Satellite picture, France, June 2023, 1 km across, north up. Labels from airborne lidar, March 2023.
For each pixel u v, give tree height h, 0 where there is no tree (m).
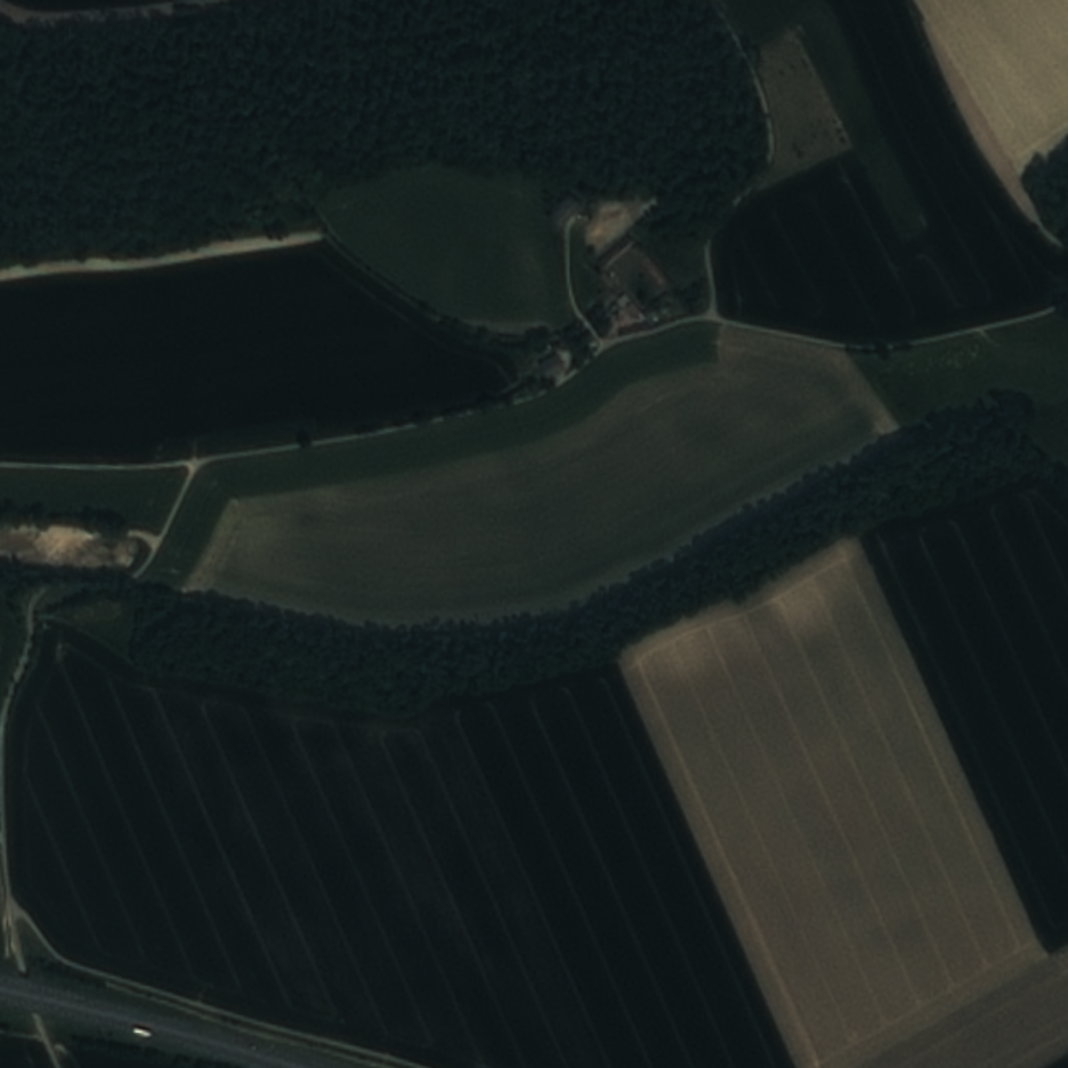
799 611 0
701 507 0
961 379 0
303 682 21
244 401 0
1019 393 0
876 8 0
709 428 0
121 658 0
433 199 0
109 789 0
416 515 0
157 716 0
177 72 24
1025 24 0
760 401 0
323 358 0
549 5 14
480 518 0
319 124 26
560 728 0
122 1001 0
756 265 0
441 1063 0
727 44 26
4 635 0
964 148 0
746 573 23
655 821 0
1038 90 0
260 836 0
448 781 0
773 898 0
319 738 0
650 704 0
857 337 0
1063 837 0
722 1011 0
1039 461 16
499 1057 0
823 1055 0
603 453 0
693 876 0
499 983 0
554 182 8
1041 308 0
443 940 0
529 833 0
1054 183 18
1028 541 0
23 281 0
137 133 24
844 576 0
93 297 0
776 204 0
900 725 0
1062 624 0
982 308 0
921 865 0
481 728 0
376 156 18
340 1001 0
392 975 0
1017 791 0
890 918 0
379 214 0
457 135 19
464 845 0
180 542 0
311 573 0
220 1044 0
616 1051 0
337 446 0
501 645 26
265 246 0
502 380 0
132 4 0
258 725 0
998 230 0
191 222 19
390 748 0
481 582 0
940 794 0
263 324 0
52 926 0
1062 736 0
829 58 0
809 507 23
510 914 0
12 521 13
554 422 0
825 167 0
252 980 0
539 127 20
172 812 0
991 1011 0
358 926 0
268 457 0
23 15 0
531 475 0
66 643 0
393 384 0
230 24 20
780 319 0
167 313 0
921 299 0
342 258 0
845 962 0
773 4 0
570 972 0
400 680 21
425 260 0
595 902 0
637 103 26
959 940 0
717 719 0
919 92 0
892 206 0
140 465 0
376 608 0
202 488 0
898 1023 0
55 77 20
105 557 0
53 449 0
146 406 0
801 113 0
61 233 19
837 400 0
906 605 0
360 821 0
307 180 18
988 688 0
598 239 0
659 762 0
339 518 0
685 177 23
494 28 20
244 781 0
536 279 0
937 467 24
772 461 0
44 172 26
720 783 0
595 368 0
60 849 0
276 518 0
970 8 0
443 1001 0
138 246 19
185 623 21
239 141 25
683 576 24
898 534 0
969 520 0
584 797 0
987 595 0
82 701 0
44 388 0
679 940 0
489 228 0
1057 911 0
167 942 0
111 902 0
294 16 14
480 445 0
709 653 0
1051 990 0
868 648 0
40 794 0
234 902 0
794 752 0
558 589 0
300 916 0
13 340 0
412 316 0
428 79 15
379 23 25
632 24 11
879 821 0
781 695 0
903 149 0
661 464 0
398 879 0
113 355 0
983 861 0
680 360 0
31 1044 0
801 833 0
